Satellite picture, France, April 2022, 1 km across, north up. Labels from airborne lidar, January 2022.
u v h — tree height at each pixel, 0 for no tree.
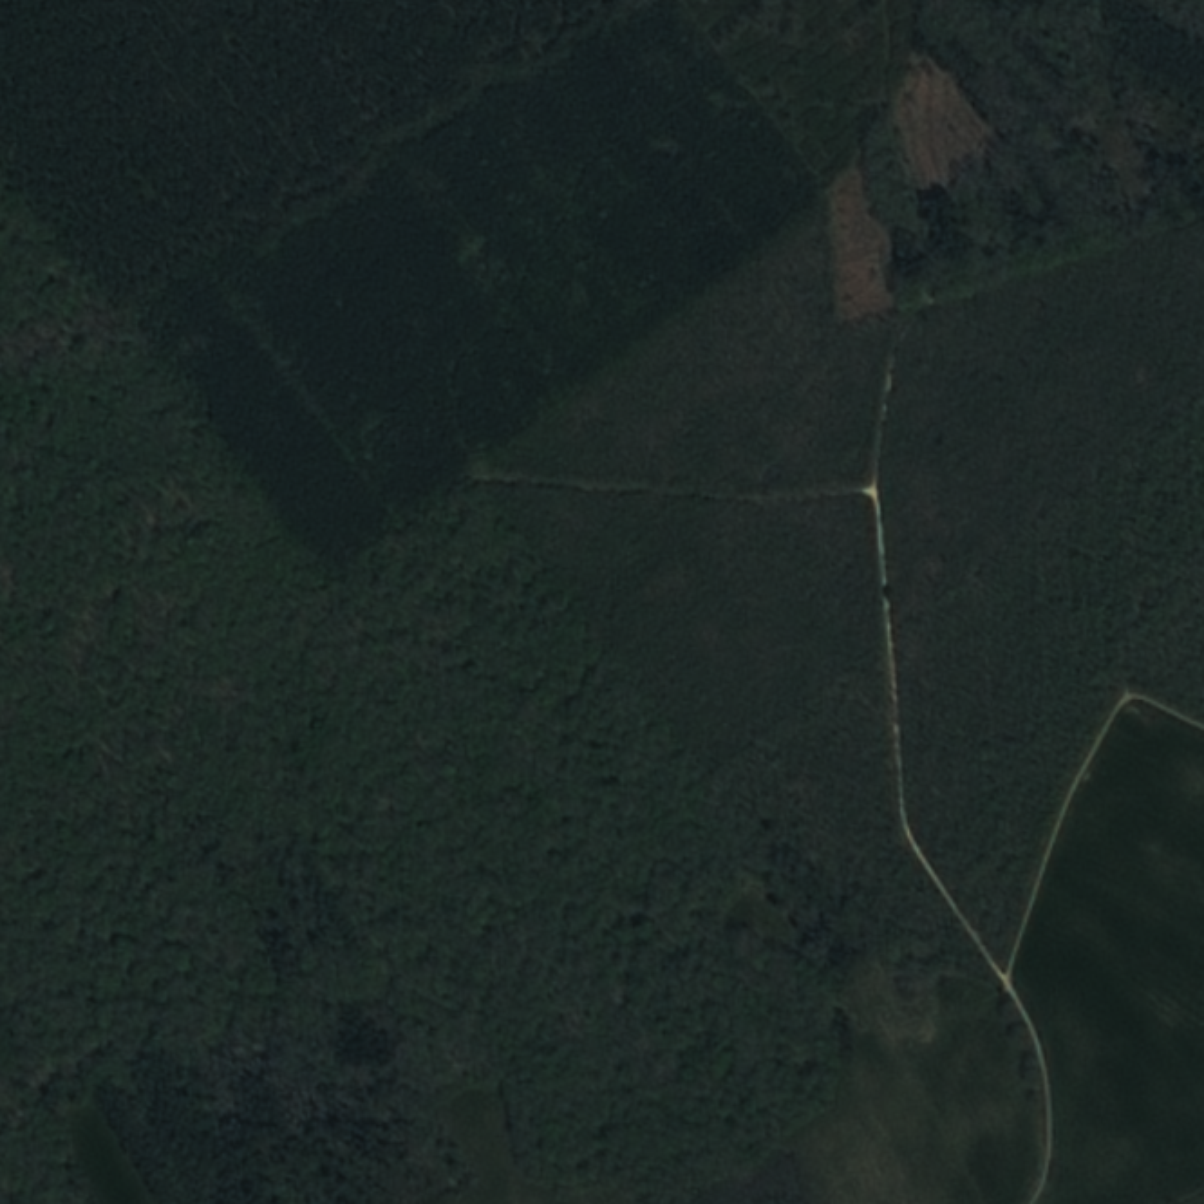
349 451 11
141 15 18
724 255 13
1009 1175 0
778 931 0
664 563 13
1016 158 26
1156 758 0
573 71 12
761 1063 23
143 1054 25
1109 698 19
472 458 12
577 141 12
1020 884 13
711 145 12
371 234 14
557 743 20
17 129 19
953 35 26
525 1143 25
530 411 14
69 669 22
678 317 9
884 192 26
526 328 12
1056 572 19
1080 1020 0
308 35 14
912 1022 0
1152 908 0
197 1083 24
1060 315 11
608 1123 21
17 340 25
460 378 12
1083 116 14
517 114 11
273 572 20
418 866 20
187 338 15
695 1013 23
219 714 18
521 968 24
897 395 9
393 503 13
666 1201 18
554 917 26
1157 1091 0
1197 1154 0
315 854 23
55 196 19
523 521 13
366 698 20
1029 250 23
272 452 15
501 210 13
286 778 17
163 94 18
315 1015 24
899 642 14
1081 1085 0
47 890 21
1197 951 0
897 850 17
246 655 20
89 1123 0
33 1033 28
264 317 14
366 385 13
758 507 8
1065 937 0
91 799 22
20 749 22
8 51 19
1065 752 19
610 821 25
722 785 20
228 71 18
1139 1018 0
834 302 6
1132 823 0
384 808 24
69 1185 18
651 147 13
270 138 18
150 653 22
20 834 24
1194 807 0
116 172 18
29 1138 20
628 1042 25
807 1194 9
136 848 18
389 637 22
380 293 14
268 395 15
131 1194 0
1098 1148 0
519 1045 20
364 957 23
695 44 13
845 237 0
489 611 22
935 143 0
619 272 12
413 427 13
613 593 11
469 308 12
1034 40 28
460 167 12
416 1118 25
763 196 13
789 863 25
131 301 18
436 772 24
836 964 17
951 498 0
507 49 14
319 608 20
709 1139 22
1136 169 0
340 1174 10
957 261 26
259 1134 31
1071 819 0
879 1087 0
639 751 19
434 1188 14
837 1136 0
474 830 20
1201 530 19
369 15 19
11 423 20
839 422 8
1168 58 20
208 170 17
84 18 18
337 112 18
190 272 20
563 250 10
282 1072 28
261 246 16
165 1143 26
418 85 18
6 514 23
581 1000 26
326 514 14
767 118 9
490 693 20
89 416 20
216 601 20
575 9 15
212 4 19
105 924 23
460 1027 25
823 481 8
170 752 22
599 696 17
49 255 19
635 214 13
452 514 19
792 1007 22
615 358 11
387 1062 15
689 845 20
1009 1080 0
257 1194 25
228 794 20
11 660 21
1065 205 23
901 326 11
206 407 11
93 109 16
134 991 23
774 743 15
